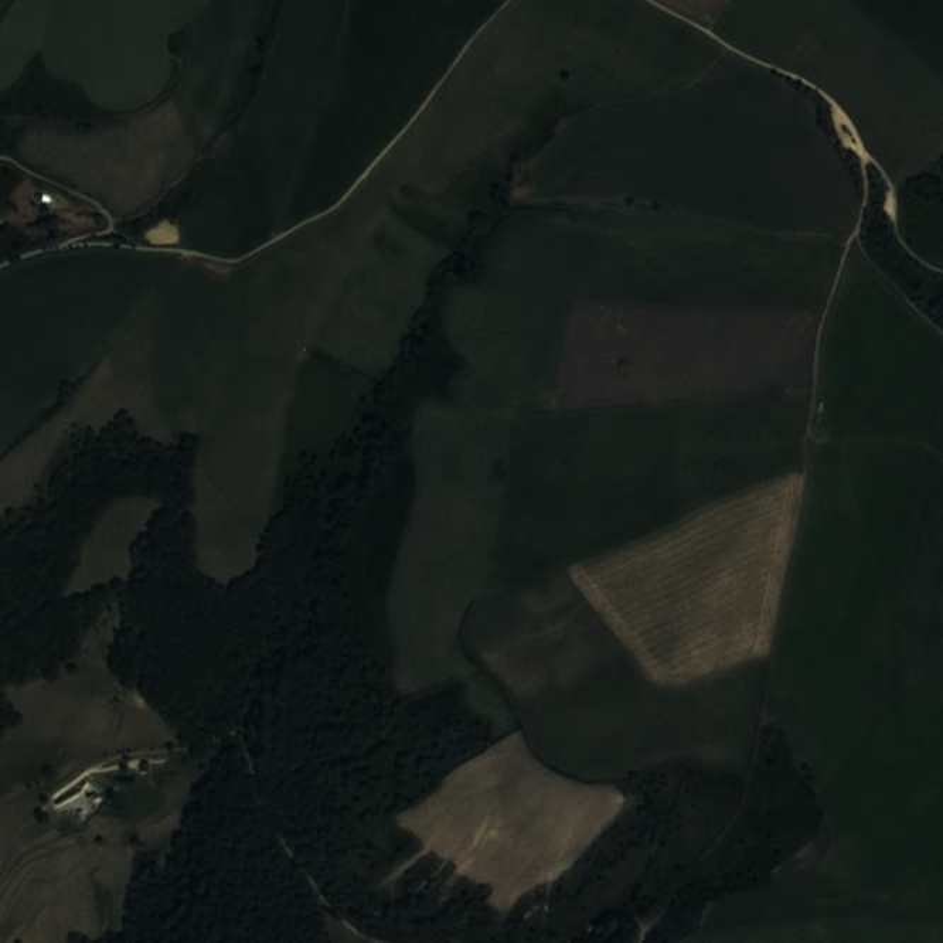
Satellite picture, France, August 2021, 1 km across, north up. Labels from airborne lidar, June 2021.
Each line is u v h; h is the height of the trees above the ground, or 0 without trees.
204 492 0
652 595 0
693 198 0
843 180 0
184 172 0
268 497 0
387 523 0
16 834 0
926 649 0
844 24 0
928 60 0
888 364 0
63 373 0
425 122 0
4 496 0
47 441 0
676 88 0
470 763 0
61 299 0
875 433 0
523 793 0
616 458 0
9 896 0
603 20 0
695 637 0
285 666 22
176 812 0
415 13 0
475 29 0
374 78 0
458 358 0
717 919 0
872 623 0
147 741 0
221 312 0
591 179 0
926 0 0
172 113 0
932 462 0
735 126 0
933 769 0
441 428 0
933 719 0
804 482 0
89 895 0
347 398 0
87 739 0
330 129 0
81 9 0
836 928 0
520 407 0
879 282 0
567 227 0
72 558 16
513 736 0
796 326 0
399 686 0
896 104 0
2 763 0
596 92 0
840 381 0
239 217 0
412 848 0
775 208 0
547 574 0
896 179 0
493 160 0
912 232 0
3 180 0
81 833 0
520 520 0
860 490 0
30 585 17
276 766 19
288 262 0
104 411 0
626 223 0
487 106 0
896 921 0
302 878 14
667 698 0
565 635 0
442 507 0
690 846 0
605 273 0
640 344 0
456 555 0
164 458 16
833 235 0
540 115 0
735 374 0
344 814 12
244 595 19
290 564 26
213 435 0
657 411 0
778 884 0
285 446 0
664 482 0
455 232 0
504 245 0
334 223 0
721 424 0
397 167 0
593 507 0
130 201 0
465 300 0
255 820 19
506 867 0
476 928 9
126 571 0
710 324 0
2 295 0
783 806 0
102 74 0
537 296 0
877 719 0
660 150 0
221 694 19
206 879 28
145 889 25
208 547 0
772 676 0
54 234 7
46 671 23
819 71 0
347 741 17
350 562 0
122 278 0
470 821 0
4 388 0
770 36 0
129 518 0
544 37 0
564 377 0
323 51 0
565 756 0
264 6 0
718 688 0
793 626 0
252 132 0
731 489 0
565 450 0
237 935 25
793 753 0
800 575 0
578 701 0
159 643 21
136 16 0
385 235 0
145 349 0
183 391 0
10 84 0
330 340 0
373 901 10
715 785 0
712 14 0
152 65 0
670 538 0
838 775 0
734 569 0
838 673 0
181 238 0
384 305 0
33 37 0
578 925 0
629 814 0
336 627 14
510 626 0
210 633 18
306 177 0
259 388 0
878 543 0
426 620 0
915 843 0
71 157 0
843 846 0
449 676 0
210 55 0
